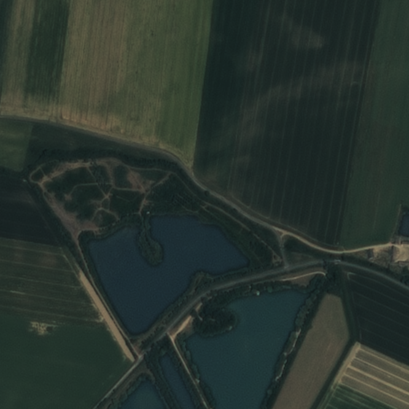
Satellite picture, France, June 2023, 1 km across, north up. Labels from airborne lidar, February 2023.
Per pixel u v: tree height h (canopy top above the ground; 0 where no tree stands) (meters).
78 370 0
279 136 0
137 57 0
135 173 0
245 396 0
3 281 0
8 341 0
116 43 0
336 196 0
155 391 0
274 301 0
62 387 0
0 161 0
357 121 0
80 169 0
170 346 18
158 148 0
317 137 0
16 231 0
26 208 0
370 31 0
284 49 0
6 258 0
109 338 0
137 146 0
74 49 0
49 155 22
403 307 0
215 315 19
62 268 0
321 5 0
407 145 0
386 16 0
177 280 0
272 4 0
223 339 0
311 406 0
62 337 0
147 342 11
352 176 0
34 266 0
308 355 0
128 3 0
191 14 0
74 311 0
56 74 0
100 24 0
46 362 0
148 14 0
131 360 0
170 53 0
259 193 0
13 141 0
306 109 0
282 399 0
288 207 0
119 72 0
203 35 0
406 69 0
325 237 0
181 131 0
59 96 0
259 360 0
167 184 6
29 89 0
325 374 0
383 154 0
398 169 0
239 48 0
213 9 0
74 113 0
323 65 0
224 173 0
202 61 0
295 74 0
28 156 0
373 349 0
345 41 0
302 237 0
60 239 0
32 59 0
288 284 13
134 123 0
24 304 0
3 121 0
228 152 0
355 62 0
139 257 0
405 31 0
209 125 0
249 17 0
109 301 0
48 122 0
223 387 0
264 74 0
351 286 0
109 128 0
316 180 0
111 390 0
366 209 0
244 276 14
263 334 0
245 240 0
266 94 0
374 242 0
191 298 12
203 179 0
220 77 0
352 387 0
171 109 0
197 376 17
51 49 0
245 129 0
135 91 0
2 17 0
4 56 0
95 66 0
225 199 0
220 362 0
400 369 0
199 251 0
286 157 0
